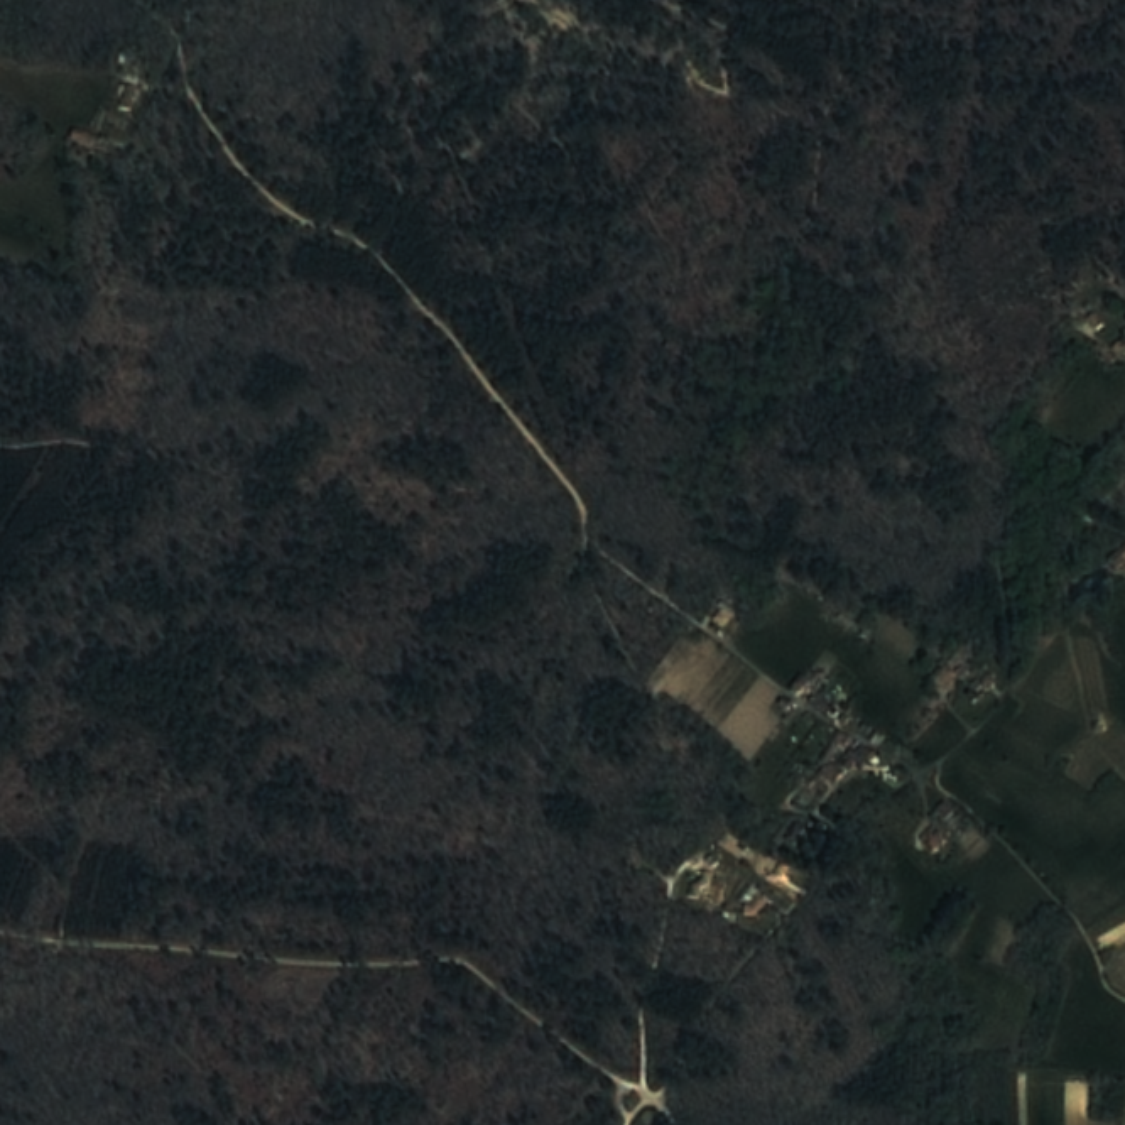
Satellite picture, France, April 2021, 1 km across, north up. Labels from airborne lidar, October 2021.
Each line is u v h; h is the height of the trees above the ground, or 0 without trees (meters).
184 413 11
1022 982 14
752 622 19
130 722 12
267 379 18
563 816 19
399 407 7
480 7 18
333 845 16
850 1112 10
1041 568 22
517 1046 9
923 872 0
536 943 10
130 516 14
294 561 25
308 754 6
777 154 26
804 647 0
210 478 10
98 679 24
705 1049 25
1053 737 0
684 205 23
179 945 12
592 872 14
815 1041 9
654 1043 6
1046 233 11
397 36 17
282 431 8
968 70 20
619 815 10
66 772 26
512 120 8
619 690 18
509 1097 19
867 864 26
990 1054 6
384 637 8
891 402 21
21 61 17
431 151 25
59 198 0
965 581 18
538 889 17
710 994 18
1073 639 0
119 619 10
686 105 11
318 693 14
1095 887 0
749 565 18
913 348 17
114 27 12
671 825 13
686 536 11
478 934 9
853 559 16
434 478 26
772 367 21
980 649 15
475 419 6
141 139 12
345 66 13
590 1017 22
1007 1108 15
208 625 10
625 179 12
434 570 12
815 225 9
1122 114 27
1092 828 0
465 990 25
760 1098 17
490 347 21
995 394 13
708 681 0
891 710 0
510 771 13
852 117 21
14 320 11
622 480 19
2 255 0
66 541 7
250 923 17
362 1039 16
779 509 14
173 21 10
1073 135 27
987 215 9
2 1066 13
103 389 13
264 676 25
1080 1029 0
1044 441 20
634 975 17
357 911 20
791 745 0
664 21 11
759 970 17
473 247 8
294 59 12
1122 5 11
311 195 16
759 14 21
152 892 23
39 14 14
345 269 17
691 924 13
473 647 11
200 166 18
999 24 9
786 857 15
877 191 6
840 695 0
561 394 18
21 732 25
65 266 14
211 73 10
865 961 23
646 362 11
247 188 17
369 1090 12
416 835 12
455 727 11
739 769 13
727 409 18
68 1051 9
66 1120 15
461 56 14
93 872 7
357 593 9
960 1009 16
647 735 16
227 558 17
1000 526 16
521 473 14
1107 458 18
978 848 0
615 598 11
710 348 18
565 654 8
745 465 10
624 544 10
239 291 20
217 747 15
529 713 22
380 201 18
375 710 16
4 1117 17
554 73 13
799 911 9
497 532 17
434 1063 20
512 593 27
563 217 22
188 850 22
